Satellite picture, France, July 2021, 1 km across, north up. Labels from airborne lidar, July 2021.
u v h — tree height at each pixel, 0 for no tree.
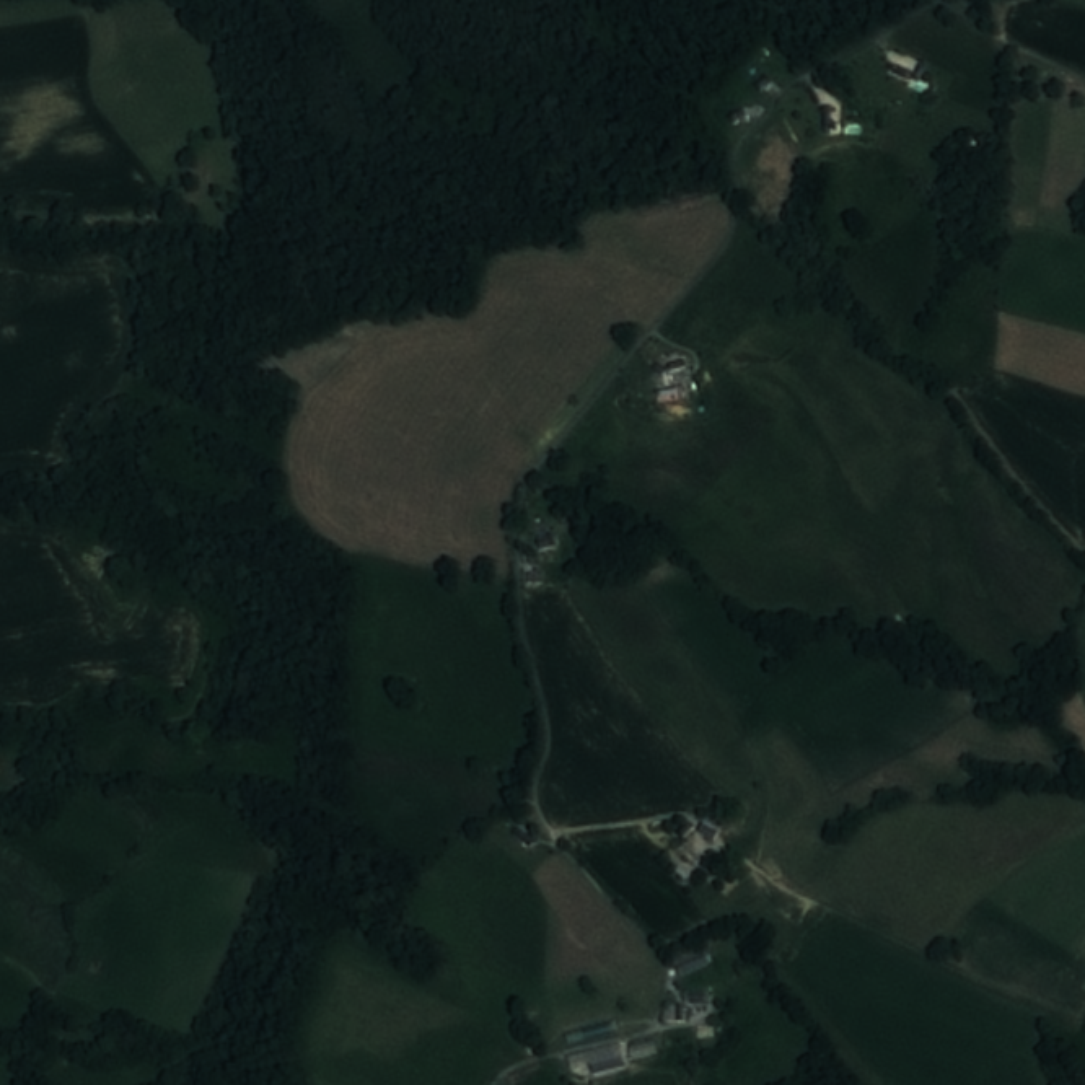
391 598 0
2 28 0
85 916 0
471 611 0
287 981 27
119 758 0
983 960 0
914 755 0
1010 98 19
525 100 14
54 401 0
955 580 0
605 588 14
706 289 0
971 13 11
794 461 0
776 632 28
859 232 24
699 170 10
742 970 8
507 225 27
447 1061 0
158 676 0
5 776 0
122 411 18
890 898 0
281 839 32
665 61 28
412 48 14
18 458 0
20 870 0
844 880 0
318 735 15
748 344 0
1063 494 0
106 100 0
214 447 12
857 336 10
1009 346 0
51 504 27
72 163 0
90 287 0
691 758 0
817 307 12
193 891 0
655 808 0
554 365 0
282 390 18
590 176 25
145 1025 18
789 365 0
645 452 0
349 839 14
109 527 8
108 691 6
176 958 0
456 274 27
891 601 0
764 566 0
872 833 0
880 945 0
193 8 14
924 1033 0
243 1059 22
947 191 23
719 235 0
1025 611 0
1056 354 0
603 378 0
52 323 0
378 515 0
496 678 0
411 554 0
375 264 29
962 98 0
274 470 8
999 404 0
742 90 0
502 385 0
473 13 16
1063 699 21
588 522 28
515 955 0
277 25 10
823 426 0
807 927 0
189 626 0
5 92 0
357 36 0
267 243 23
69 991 0
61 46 0
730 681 0
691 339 0
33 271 0
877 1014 0
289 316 16
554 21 22
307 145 23
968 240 26
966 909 0
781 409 0
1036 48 0
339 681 26
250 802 22
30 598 0
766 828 0
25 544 0
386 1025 0
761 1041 0
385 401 0
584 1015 0
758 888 0
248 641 19
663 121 25
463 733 0
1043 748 0
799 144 0
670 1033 0
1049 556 0
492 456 0
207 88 0
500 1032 0
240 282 31
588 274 0
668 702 0
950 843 0
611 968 0
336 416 0
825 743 0
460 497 0
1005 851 0
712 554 0
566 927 0
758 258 0
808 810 0
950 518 0
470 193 21
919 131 0
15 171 0
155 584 10
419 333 0
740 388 0
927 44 0
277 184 27
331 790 14
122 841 0
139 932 0
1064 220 0
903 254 0
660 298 0
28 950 0
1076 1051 17
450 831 0
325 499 0
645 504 0
